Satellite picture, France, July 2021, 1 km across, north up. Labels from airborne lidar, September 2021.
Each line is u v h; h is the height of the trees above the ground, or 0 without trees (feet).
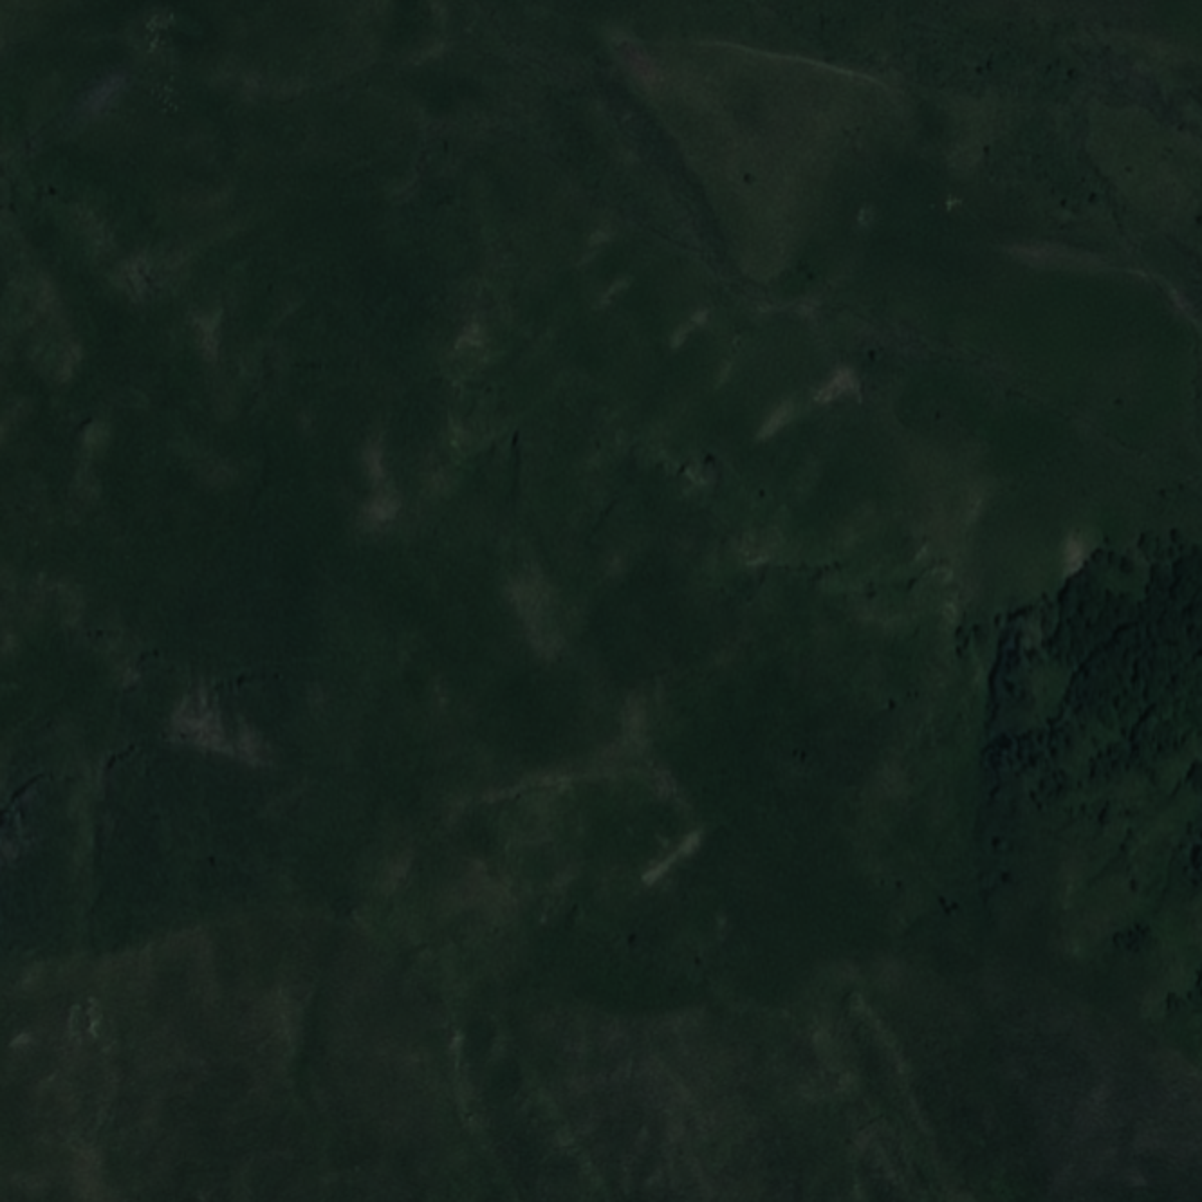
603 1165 0
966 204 0
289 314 0
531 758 0
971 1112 0
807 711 0
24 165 0
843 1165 0
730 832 0
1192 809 0
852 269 0
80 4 0
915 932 0
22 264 0
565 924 0
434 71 0
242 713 0
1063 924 0
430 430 0
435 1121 0
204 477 0
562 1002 0
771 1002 0
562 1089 0
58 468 0
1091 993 0
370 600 0
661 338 0
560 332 0
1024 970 0
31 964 0
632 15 0
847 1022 0
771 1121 0
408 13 0
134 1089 0
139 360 0
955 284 0
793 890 0
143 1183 0
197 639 0
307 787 0
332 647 0
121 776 0
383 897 0
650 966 0
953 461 0
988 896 0
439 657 0
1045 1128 0
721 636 0
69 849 0
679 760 0
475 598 0
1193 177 0
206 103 0
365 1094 0
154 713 0
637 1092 0
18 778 0
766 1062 0
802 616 0
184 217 0
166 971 0
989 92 0
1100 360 0
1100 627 67
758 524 0
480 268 0
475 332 0
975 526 0
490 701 0
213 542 0
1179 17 0
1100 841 0
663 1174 0
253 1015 0
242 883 0
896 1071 0
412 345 0
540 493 0
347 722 0
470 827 0
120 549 0
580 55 0
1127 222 0
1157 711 60
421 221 0
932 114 0
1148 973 0
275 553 0
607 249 0
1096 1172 0
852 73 0
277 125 0
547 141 0
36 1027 0
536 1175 0
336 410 0
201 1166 0
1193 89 0
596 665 0
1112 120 0
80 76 0
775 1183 0
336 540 0
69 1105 0
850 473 0
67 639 0
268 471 0
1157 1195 0
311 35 0
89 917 0
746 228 0
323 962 0
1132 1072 0
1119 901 0
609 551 0
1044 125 0
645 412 0
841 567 31
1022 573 0
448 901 0
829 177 0
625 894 0
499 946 0
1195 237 0
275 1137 0
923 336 0
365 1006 0
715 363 0
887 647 0
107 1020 0
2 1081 0
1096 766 37
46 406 0
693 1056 0
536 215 0
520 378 0
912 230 0
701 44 0
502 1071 0
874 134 0
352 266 0
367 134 0
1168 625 100
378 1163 0
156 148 0
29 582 0
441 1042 0
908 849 0
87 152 0
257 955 0
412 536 0
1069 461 0
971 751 0
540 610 0
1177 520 0
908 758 0
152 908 0
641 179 0
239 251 0
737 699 0
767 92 0
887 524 0
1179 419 0
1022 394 0
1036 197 0
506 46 0
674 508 0
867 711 0
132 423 0
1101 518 0
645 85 0
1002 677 0
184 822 0
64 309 0
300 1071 0
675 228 0
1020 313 0
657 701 0
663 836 0
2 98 0
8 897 0
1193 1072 0
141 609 0
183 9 0
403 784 0
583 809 0
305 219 0
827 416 0
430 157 0
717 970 0
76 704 0
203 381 0
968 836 0
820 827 0
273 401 0
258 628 0
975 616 0
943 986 0
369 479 0
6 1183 0
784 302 0
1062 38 0
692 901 0
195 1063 0
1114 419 0
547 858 0
